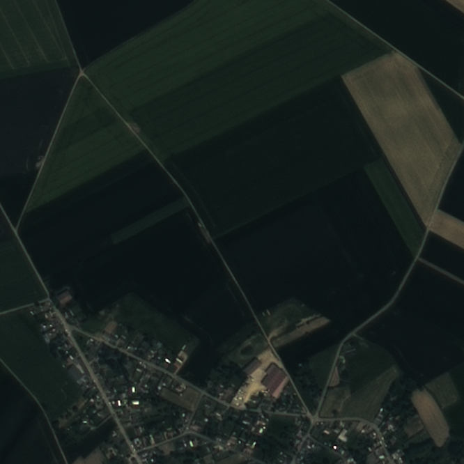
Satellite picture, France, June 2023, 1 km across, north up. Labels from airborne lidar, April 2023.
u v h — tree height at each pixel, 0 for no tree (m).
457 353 0
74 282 0
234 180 0
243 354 0
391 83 0
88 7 0
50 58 0
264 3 0
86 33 0
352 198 0
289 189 0
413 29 0
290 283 0
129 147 0
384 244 0
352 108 0
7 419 0
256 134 0
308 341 0
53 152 0
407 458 9
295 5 0
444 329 0
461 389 0
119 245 0
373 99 0
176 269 0
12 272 0
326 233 0
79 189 0
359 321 0
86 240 0
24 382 0
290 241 0
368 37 0
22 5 0
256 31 0
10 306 0
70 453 0
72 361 0
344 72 0
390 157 0
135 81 0
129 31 0
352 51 0
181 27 0
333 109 0
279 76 0
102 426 0
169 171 0
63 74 0
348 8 0
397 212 0
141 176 0
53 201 0
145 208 0
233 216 0
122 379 0
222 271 0
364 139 0
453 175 0
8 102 0
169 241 0
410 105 0
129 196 0
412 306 0
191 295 0
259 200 0
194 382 0
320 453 0
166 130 0
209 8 0
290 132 0
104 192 0
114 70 0
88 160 0
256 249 0
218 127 0
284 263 0
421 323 0
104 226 0
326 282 0
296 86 0
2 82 0
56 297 15
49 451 0
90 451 0
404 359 0
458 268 0
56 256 0
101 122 0
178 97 0
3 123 0
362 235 0
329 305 0
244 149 0
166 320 0
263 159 0
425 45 0
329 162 0
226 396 0
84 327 0
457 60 0
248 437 6
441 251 0
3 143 0
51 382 0
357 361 0
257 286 0
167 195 0
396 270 0
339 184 0
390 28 0
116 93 0
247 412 6
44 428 0
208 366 0
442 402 0
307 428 0
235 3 0
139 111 0
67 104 0
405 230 0
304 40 0
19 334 0
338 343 0
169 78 0
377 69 0
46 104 0
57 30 0
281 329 0
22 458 0
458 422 0
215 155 0
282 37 0
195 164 0
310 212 0
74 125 0
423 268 0
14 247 0
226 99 0
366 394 0
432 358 0
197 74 0
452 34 0
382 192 0
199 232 0
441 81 0
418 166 0
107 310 0
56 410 0
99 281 0
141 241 0
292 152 0
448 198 0
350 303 0
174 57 0
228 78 0
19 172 0
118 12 0
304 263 0
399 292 0
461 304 0
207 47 0
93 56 0
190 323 0
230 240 0
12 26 0
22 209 0
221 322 0
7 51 0
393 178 0
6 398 0
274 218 0
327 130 0
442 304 0
